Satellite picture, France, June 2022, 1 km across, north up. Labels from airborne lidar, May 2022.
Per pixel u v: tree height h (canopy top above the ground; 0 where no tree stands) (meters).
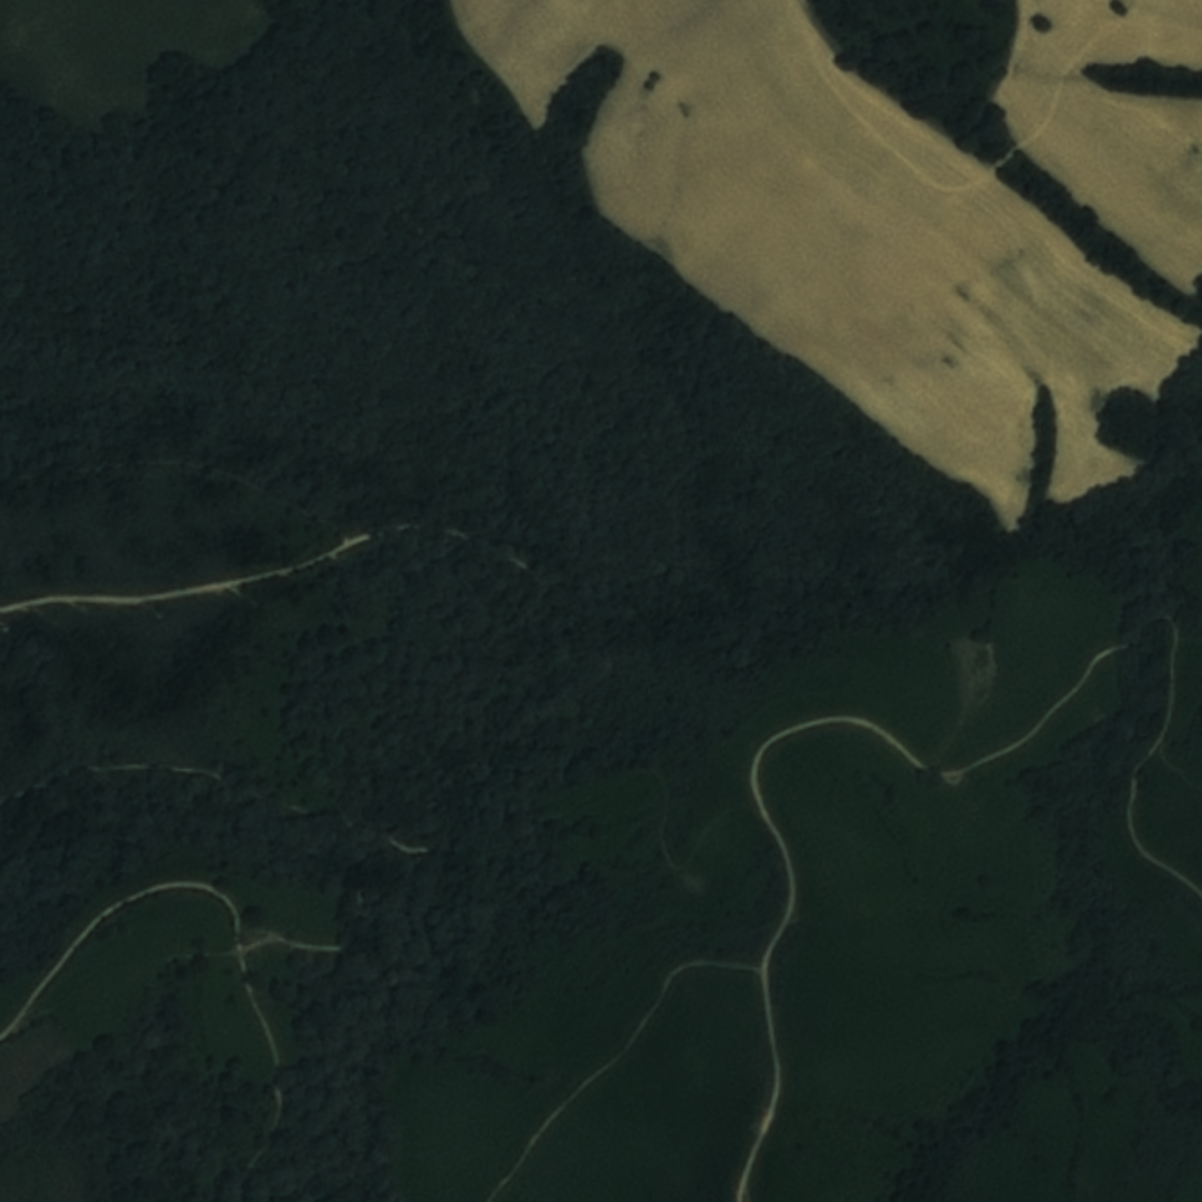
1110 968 6
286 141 24
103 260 22
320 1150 20
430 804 10
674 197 0
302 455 14
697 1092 0
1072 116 0
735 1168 0
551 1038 0
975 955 0
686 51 0
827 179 0
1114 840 0
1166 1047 13
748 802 0
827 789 0
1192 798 0
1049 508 8
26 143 12
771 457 19
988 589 14
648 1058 0
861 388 0
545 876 23
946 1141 11
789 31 0
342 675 22
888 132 0
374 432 16
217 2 0
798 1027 0
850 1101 0
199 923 0
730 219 0
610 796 0
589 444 8
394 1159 13
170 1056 12
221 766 9
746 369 19
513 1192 0
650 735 6
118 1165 19
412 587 22
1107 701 0
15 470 11
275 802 14
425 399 20
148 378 24
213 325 19
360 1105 18
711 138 0
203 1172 20
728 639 10
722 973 0
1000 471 0
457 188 21
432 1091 0
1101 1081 0
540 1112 0
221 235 22
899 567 19
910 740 0
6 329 9
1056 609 0
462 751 14
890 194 0
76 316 18
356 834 17
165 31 0
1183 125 0
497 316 18
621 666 6
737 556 17
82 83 0
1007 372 0
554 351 16
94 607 0
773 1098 0
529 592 17
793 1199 0
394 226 23
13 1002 0
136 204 20
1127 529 21
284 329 21
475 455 9
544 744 12
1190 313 20
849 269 0
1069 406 0
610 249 24
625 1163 0
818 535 21
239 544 12
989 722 0
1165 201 0
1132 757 17
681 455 25
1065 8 0
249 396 19
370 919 9
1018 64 0
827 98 0
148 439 16
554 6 0
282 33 16
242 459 10
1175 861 0
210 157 23
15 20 0
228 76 16
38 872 22
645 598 18
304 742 17
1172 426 20
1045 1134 0
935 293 0
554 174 24
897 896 0
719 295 0
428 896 17
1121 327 0
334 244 21
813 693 0
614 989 0
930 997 0
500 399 16
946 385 0
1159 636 7
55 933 7
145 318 17
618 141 0
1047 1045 10
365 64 20
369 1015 20
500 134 13
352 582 16
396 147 20
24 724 7
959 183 0
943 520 13
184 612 0
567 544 21
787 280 0
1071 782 7
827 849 0
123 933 10
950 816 0
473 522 20
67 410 13
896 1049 0
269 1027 0
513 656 12
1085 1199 0
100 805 7
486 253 20
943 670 0
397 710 5
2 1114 0
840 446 16
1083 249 15
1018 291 0
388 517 7
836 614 8
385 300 17
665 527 15
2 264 18
